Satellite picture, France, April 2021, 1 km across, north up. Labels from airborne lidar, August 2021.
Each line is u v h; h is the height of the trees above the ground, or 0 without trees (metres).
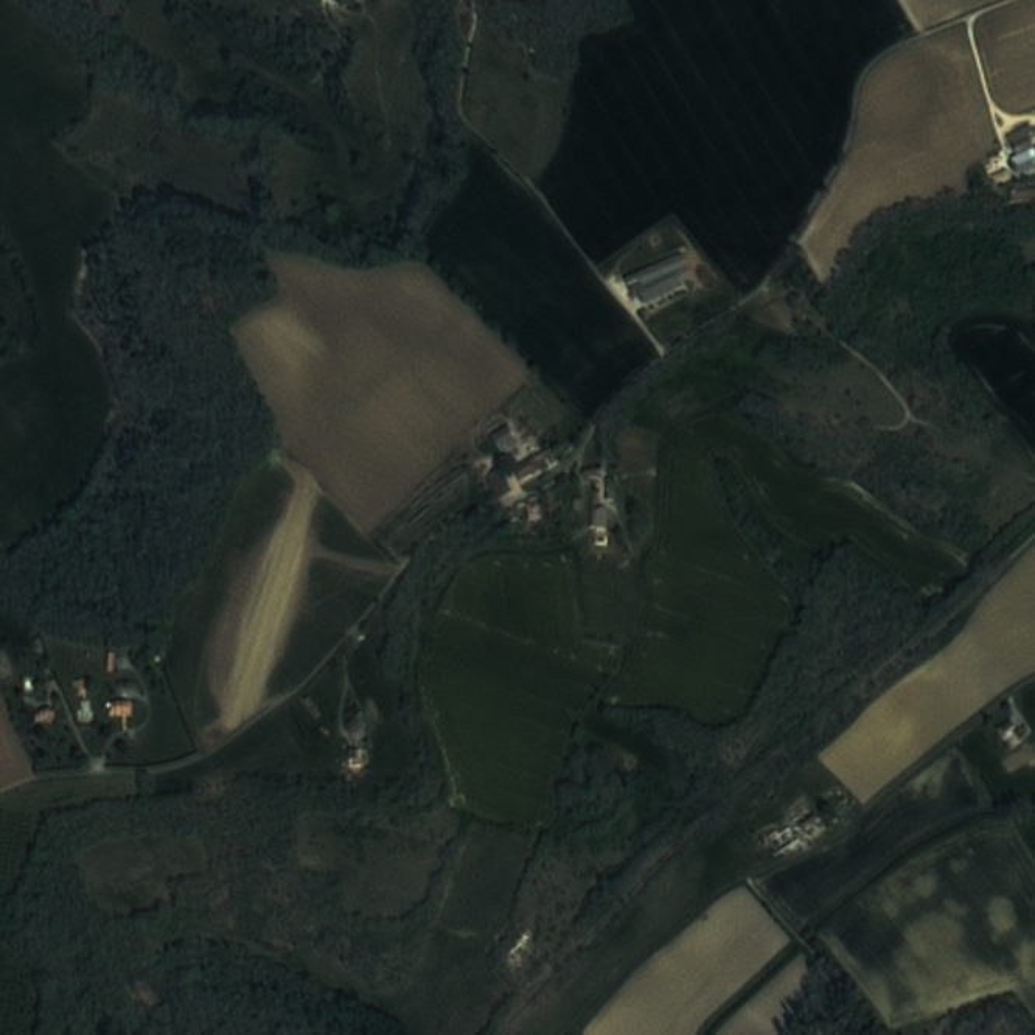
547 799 0
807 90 0
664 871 15
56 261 0
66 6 21
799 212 0
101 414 0
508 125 0
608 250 0
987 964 0
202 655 0
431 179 20
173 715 0
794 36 0
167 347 11
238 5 0
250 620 0
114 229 12
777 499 0
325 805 23
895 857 0
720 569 0
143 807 13
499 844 0
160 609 18
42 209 0
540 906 8
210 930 14
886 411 0
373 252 20
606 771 19
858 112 0
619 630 0
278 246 15
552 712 0
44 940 22
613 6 15
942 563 0
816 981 16
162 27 0
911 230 10
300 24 12
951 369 17
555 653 0
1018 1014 15
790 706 16
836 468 16
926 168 0
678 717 19
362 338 0
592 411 0
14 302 0
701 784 16
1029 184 8
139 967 13
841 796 0
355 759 0
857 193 0
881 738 0
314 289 0
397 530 0
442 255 0
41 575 17
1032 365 0
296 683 0
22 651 0
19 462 0
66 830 18
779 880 0
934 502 14
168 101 20
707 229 0
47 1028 18
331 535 0
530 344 0
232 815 16
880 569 12
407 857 0
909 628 20
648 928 0
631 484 0
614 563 0
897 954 0
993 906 0
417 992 0
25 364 0
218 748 0
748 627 0
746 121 0
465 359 0
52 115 0
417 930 10
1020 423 0
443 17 14
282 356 0
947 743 0
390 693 0
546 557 0
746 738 13
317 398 0
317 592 0
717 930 0
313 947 15
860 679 12
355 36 16
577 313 0
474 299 11
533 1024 0
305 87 0
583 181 0
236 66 18
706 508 0
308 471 0
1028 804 16
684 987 0
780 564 11
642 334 0
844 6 0
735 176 0
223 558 0
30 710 5
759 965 0
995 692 0
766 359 17
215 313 12
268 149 19
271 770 0
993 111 0
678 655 0
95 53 17
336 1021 24
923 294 8
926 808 0
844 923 0
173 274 10
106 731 8
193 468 8
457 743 0
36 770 6
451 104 16
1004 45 0
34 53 0
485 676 0
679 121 0
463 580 0
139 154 0
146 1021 12
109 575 25
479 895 0
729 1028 0
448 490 0
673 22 0
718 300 0
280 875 9
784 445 12
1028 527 8
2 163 0
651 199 0
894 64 0
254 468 12
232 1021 18
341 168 0
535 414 0
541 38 14
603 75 0
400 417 0
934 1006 0
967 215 21
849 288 19
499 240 0
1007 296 8
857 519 0
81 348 0
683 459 0
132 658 7
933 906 0
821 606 19
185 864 0
